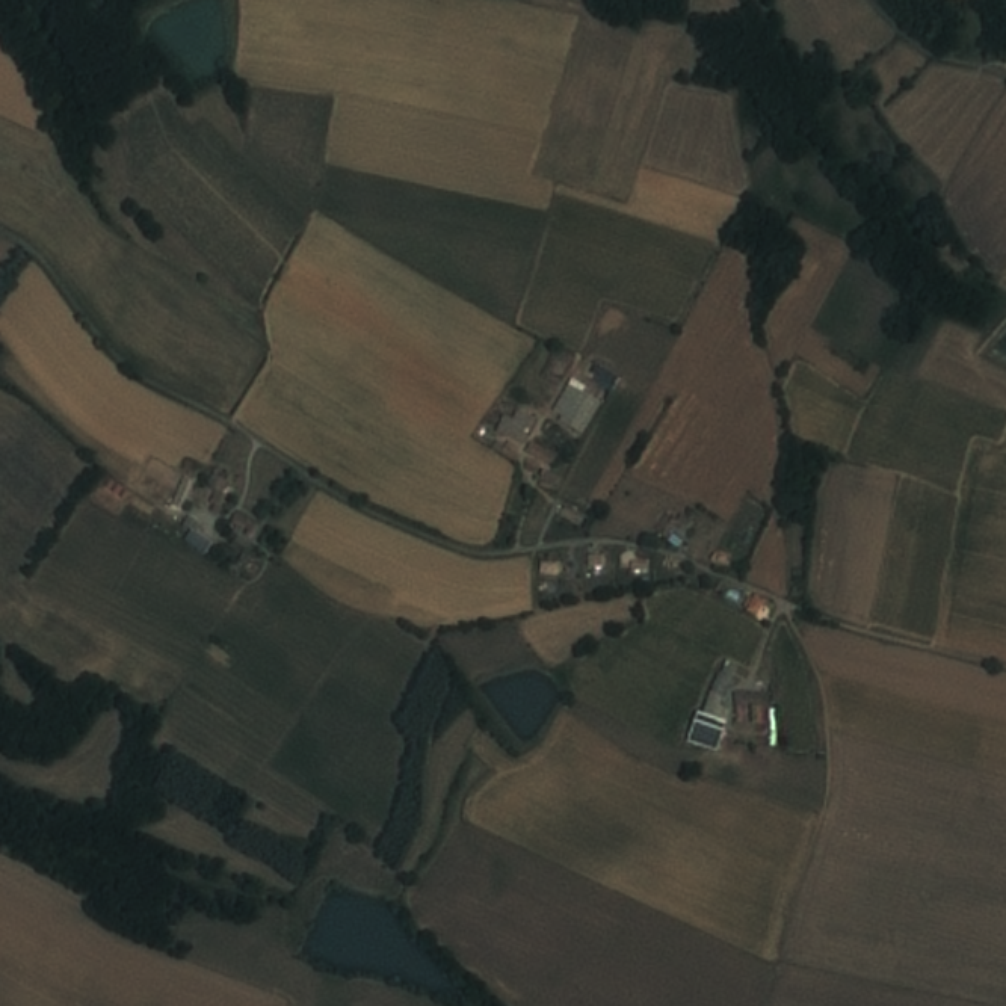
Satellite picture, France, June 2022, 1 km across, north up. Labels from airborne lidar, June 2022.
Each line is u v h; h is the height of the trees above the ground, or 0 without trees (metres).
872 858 0
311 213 0
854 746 0
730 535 0
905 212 11
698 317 0
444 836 0
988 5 14
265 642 0
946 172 0
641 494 0
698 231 0
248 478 0
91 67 20
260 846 23
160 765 21
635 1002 0
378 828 0
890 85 0
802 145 13
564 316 0
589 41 0
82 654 0
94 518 0
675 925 0
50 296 0
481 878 0
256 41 0
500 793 0
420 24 0
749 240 13
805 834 0
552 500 0
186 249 0
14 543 0
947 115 0
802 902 0
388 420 0
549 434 0
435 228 0
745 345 0
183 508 7
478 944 0
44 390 0
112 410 0
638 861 0
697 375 0
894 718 0
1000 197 0
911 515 0
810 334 0
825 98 17
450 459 0
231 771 0
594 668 0
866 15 0
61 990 0
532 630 0
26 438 0
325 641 0
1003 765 0
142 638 0
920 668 0
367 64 0
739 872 0
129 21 16
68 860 13
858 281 0
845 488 0
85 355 0
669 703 0
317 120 0
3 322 0
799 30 0
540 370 0
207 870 22
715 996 0
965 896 0
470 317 0
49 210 0
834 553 0
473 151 0
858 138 0
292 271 0
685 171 0
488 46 0
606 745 0
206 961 0
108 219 7
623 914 0
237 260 0
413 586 0
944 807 0
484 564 0
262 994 0
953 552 0
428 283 0
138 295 0
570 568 5
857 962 0
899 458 0
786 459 13
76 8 17
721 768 0
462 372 0
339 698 0
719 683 0
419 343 0
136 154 0
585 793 0
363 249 0
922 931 0
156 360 0
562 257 0
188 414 0
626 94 0
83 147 12
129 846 23
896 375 0
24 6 21
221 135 0
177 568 0
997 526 0
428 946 14
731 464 0
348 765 0
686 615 0
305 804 0
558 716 0
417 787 17
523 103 0
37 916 0
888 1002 0
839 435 0
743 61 20
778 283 19
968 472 0
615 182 0
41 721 22
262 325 0
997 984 0
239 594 0
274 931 0
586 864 0
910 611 0
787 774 0
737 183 0
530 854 0
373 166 0
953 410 0
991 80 0
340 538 0
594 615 0
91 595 0
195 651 0
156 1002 0
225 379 0
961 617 0
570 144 0
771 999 0
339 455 0
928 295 23
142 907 25
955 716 0
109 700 18
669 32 0
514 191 0
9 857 7
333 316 0
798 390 0
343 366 0
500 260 0
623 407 0
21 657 20
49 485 0
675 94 0
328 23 0
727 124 0
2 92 0
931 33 16
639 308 0
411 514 0
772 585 0
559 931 0
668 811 0
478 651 0
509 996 0
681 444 0
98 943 0
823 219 0
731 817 0
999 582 0
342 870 0
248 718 0
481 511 0
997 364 0
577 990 0
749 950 0
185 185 0
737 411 0
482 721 6
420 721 22
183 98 16
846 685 0
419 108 0
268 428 0
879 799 0
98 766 0
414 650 0
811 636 0
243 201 0
